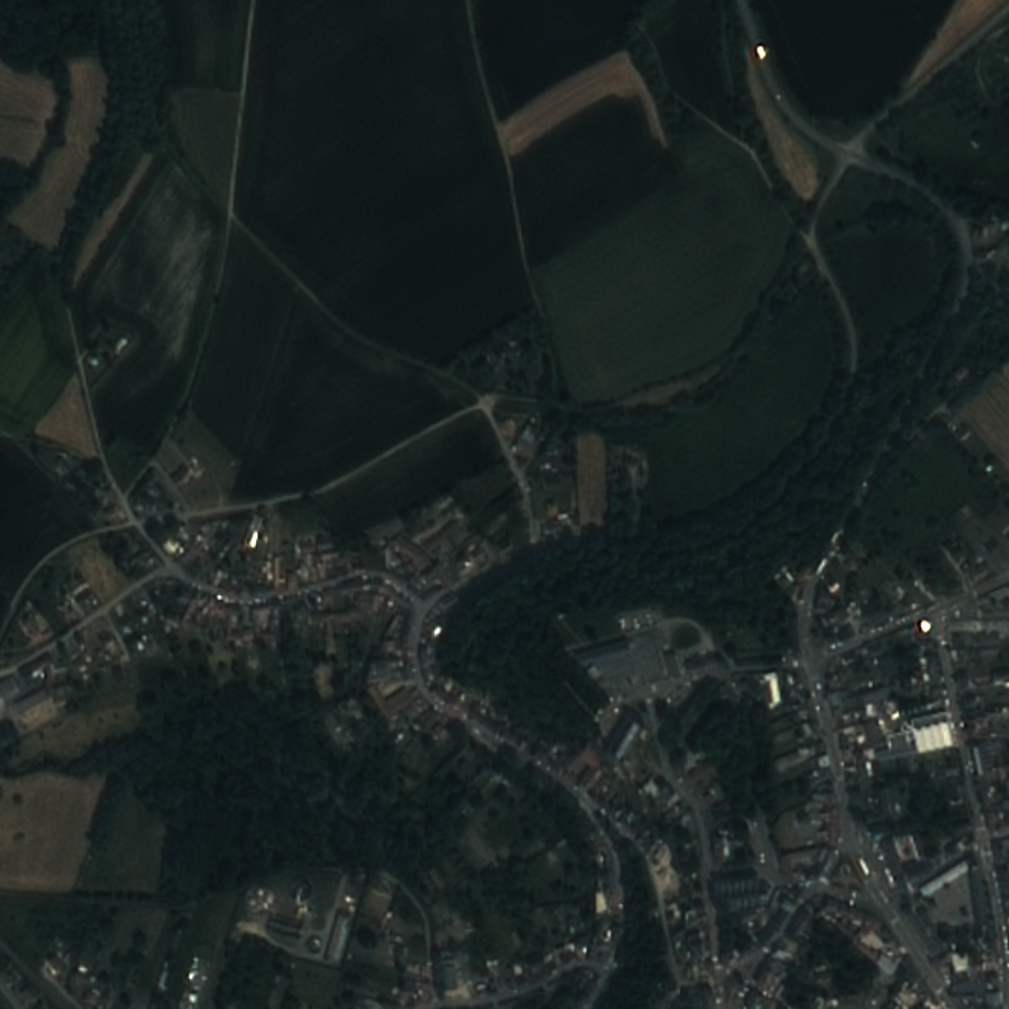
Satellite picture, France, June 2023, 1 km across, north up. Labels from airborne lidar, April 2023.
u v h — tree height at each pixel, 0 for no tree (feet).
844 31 0
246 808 24
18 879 0
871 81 0
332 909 0
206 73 0
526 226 0
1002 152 0
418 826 57
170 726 75
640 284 0
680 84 0
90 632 0
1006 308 56
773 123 0
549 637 41
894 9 0
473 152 0
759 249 0
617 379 0
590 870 26
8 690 0
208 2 0
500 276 0
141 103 35
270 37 0
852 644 0
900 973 39
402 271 0
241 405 0
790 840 0
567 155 0
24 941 0
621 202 0
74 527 0
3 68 0
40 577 21
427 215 0
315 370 0
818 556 27
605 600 39
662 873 0
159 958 0
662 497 0
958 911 0
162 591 21
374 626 0
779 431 0
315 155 0
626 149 0
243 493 0
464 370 32
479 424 0
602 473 0
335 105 0
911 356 52
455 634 59
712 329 0
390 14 0
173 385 0
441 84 0
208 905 0
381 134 0
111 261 0
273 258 0
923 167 55
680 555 71
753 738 46
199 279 0
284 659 30
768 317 23
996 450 0
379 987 0
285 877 47
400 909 21
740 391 0
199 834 126
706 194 0
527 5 0
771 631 59
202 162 0
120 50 60
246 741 94
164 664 0
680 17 0
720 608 73
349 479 0
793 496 50
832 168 0
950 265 24
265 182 0
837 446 58
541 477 23
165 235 0
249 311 0
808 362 0
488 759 46
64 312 0
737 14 17
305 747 118
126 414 0
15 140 0
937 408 0
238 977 23
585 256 0
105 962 0
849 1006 0
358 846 115
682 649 0
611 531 52
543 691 39
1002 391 0
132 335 0
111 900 24
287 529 0
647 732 0
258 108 0
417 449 0
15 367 0
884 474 49
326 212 0
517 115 0
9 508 0
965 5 0
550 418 40
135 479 0
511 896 33
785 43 0
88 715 0
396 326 0
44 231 0
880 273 0
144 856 0
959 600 0
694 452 0
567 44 0
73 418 0
